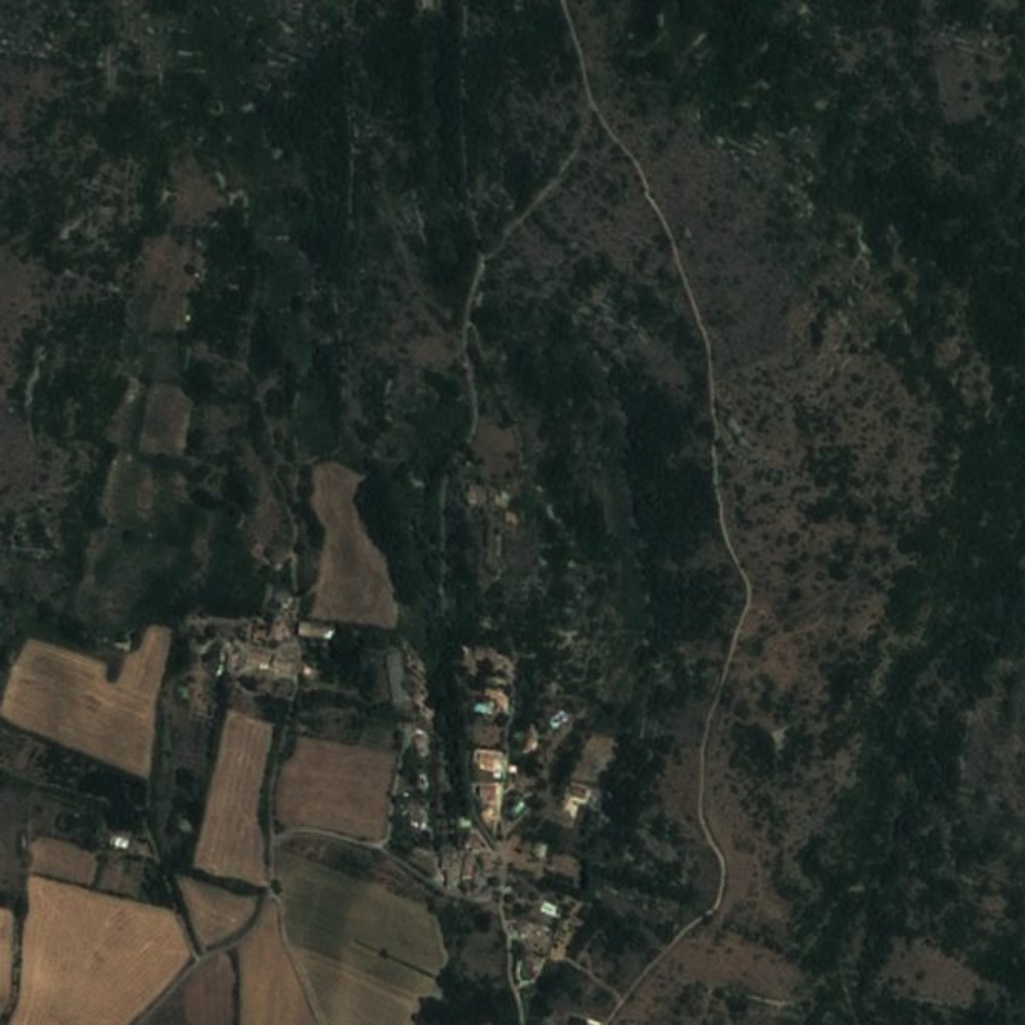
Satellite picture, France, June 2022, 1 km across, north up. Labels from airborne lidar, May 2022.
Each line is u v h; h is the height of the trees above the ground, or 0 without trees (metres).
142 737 0
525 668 9
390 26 6
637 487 8
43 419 6
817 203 6
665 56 6
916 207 7
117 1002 0
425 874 5
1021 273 6
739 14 12
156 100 6
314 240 8
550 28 8
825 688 6
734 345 0
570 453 7
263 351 7
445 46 8
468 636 10
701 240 0
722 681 0
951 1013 6
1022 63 8
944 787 6
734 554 0
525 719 7
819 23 6
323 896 0
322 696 9
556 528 7
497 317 8
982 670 7
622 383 7
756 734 9
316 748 0
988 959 6
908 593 7
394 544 10
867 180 8
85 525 7
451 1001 6
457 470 7
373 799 0
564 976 6
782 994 0
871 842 7
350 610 0
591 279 7
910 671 8
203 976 0
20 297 0
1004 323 9
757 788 6
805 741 7
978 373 6
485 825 0
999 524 9
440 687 10
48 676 0
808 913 6
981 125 8
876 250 7
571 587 7
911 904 5
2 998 0
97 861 8
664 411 10
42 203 6
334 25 8
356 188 6
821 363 0
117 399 6
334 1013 0
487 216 7
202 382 6
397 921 0
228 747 0
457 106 11
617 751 10
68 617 6
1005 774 0
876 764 7
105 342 7
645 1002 0
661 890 10
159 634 0
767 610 0
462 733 7
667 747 7
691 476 5
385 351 0
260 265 8
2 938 0
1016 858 0
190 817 7
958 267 8
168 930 0
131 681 0
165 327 0
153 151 6
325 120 6
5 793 0
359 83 6
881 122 6
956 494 7
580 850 9
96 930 0
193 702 0
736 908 0
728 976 0
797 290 0
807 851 6
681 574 8
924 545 9
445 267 7
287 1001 0
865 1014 7
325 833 0
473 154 6
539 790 8
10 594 7
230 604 9
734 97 6
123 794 8
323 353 7
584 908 7
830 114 8
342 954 0
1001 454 10
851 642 0
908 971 0
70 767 6
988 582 6
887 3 6
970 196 9
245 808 0
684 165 0
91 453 6
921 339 6
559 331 10
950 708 7
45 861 0
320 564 0
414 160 7
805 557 6
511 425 6
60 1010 0
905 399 0
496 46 7
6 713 0
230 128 7
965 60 0
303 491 9
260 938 0
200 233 7
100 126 6
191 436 6
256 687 9
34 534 7
